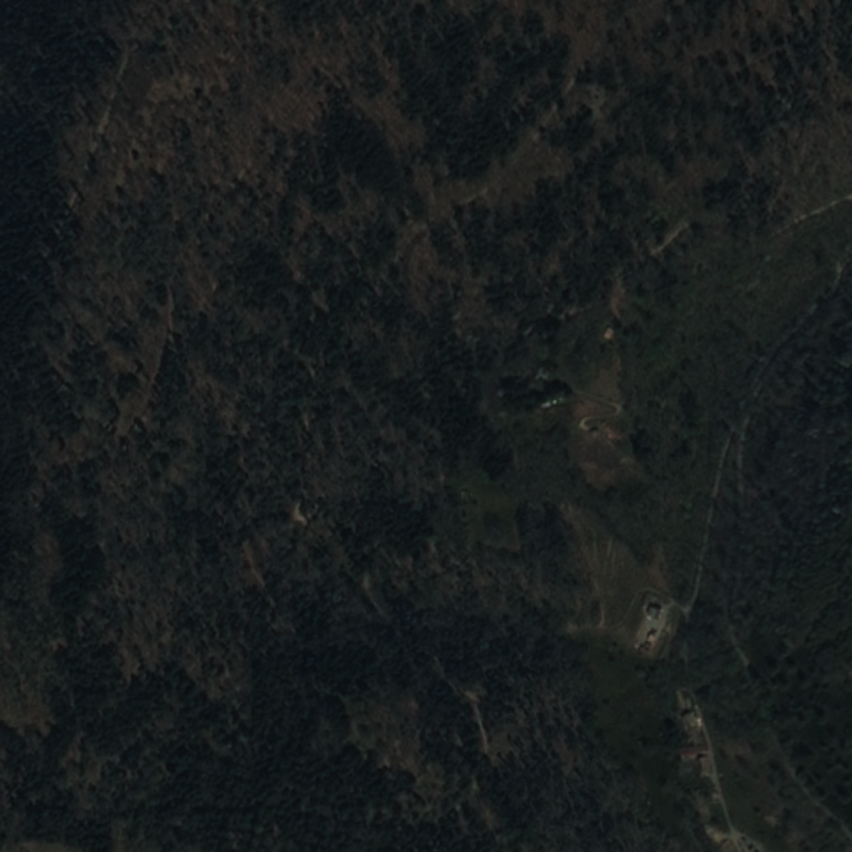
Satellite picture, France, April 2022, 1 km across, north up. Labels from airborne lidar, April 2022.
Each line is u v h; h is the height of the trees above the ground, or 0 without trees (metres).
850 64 32
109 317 25
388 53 28
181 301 30
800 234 16
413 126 24
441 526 26
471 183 12
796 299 12
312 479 31
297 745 30
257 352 31
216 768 29
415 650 28
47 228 30
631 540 11
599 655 0
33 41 28
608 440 0
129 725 23
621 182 16
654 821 8
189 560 28
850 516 19
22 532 28
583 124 25
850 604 23
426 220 19
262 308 30
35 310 27
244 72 23
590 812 23
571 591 25
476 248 22
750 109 15
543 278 27
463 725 29
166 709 25
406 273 26
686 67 19
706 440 18
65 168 7
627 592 0
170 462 36
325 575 36
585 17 23
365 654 27
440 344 23
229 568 34
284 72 28
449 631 31
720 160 22
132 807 27
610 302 30
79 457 10
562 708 26
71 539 37
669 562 9
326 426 37
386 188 28
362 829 28
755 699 18
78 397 33
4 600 25
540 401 25
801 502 14
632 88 20
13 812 14
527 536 20
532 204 25
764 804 0
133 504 31
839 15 29
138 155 12
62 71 27
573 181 19
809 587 24
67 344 27
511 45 9
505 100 27
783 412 13
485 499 0
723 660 21
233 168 35
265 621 22
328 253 30
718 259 16
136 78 15
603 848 16
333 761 26
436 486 34
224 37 23
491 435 28
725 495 0
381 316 28
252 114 25
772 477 17
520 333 26
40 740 29
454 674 29
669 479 22
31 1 28
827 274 8
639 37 20
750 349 28
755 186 27
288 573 32
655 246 10
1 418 22
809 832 18
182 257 30
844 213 16
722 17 19
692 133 20
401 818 27
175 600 30
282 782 31
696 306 19
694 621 9
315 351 30
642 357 28
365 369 26
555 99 16
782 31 10
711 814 0
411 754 21
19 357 20
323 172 29
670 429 29
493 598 32
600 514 26
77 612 25
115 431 40
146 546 28
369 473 35
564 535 31
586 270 27
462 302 20
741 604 17
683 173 20
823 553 22
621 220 24
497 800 28
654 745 15
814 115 29
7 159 25
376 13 25
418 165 25
